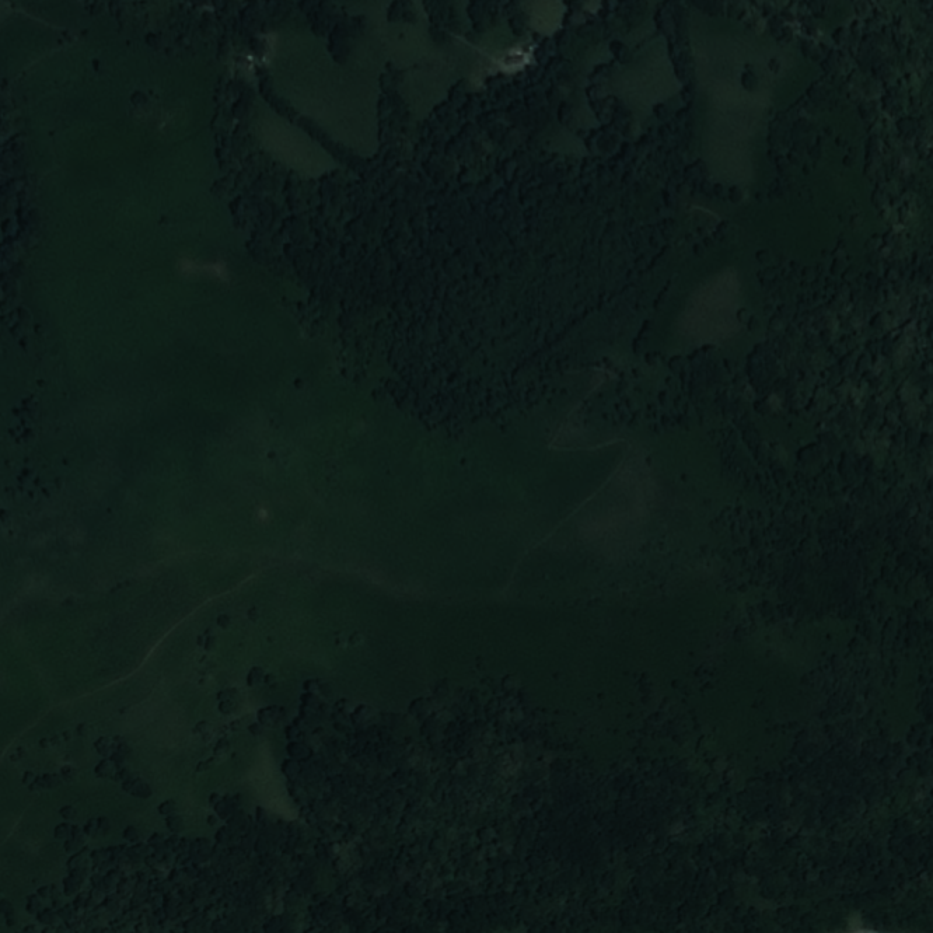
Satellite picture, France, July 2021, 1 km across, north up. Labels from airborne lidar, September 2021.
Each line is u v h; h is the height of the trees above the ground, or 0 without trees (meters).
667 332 0
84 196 0
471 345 9
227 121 10
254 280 0
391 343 7
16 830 0
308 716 24
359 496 0
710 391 15
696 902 25
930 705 18
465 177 21
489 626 0
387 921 25
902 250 24
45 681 0
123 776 20
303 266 26
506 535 0
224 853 16
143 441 0
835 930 14
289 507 0
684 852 26
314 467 0
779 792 19
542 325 6
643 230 9
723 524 7
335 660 0
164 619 0
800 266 13
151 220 0
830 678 12
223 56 12
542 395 10
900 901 29
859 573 18
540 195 22
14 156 21
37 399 6
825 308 16
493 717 16
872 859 21
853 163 20
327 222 12
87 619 0
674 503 0
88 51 0
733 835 22
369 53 0
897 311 7
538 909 14
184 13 13
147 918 22
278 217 24
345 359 7
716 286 0
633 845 26
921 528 24
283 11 24
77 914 22
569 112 18
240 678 0
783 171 15
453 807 25
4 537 0
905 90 24
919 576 12
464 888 25
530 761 26
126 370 0
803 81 0
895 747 14
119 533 0
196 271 0
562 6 0
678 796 23
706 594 0
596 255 6
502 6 24
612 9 23
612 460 0
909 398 27
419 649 0
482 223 23
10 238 12
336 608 0
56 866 0
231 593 0
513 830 11
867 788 21
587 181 26
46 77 0
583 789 20
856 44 23
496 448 0
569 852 22
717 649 0
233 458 0
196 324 0
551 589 0
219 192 9
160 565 0
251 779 0
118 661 0
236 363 0
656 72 0
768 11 20
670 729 11
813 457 24
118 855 28
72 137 0
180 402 0
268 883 24
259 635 0
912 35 30
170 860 29
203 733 13
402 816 24
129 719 0
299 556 0
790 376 25
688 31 20
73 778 22
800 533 14
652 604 0
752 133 0
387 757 22
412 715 9
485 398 9
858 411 19
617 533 0
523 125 18
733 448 8
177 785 0
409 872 25
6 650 0
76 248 0
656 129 8
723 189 15
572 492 0
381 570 0
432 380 17
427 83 0
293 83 0
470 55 0
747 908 8
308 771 21
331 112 0
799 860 20
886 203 20
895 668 8
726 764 14
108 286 0
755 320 15
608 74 11
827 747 10
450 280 18
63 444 0
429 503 0
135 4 19
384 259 25
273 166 7
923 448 9
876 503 12
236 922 25
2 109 18
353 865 22
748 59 0
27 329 10
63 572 0
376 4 0
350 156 23
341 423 0
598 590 0
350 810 22
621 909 11
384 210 22
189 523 0
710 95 0
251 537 0
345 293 14
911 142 22
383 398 10
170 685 0
